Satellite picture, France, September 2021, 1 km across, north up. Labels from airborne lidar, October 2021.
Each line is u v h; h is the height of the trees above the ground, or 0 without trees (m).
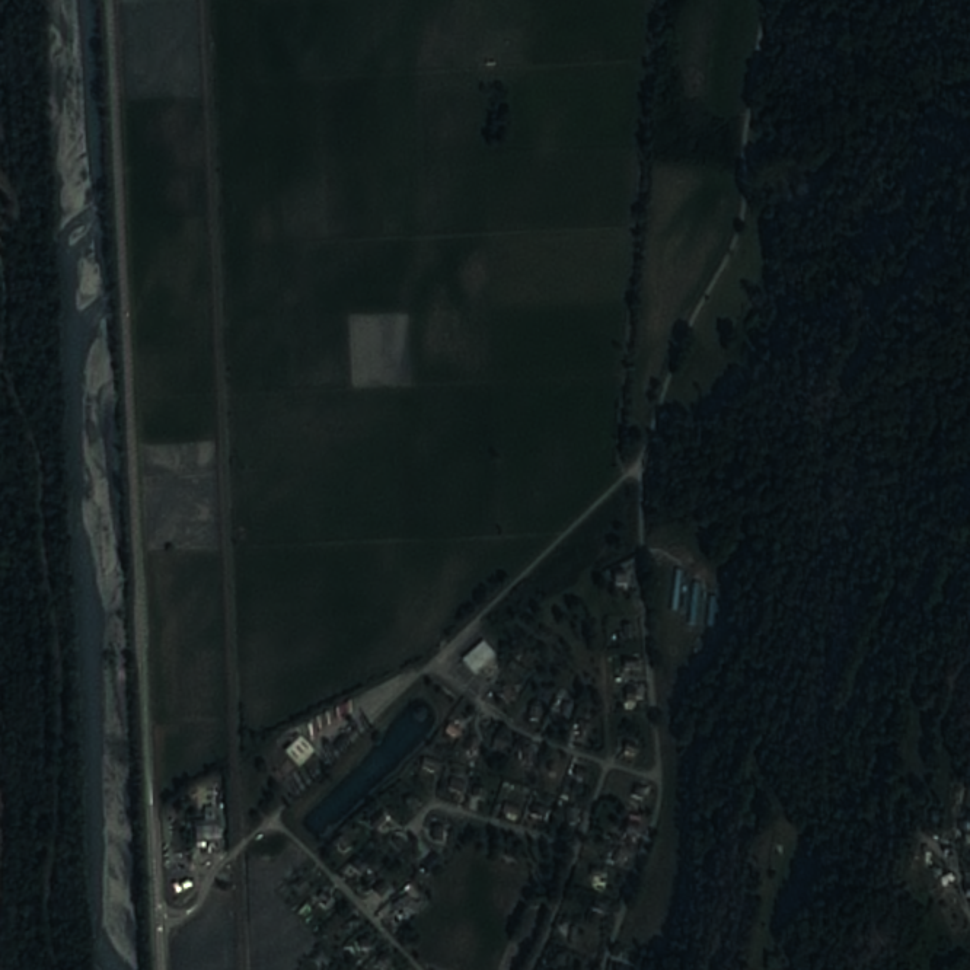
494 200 0
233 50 0
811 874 18
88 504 0
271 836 0
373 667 0
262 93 0
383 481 0
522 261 0
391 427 0
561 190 0
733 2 0
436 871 10
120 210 0
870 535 24
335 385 0
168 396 0
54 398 11
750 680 20
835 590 24
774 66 16
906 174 7
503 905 0
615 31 0
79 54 0
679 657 0
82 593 0
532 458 0
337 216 0
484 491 0
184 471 0
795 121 23
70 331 0
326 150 0
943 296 26
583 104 0
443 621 0
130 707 7
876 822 10
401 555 0
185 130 0
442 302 0
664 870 0
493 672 0
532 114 0
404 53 0
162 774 0
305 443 0
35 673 16
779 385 24
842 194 18
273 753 0
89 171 0
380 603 0
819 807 28
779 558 27
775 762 24
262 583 0
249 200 0
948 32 20
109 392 0
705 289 0
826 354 19
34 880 14
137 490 0
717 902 12
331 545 0
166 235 0
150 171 0
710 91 0
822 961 17
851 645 16
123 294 0
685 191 0
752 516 31
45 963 16
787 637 21
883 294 9
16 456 15
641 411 0
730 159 6
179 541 0
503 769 15
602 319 0
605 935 6
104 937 0
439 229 0
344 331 0
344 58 0
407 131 0
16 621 19
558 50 0
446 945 0
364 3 0
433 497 0
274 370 0
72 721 17
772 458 29
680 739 18
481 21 0
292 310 0
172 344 0
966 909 0
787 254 24
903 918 10
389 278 0
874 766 7
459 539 0
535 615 17
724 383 0
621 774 0
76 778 12
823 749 15
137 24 0
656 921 0
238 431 0
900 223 8
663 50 13
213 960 0
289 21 0
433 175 0
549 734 9
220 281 0
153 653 0
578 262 0
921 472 26
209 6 0
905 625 24
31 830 14
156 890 0
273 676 0
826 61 29
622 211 0
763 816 18
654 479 15
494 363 0
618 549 16
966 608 20
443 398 0
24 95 20
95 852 0
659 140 6
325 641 0
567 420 0
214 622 0
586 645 14
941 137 20
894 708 8
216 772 9
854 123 31
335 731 0
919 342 25
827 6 27
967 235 29
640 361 0
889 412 19
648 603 11
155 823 0
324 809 0
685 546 0
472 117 0
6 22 12
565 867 13
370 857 9
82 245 0
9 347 16
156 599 0
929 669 22
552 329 0
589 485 0
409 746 0
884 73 12
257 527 0
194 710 0
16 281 10
